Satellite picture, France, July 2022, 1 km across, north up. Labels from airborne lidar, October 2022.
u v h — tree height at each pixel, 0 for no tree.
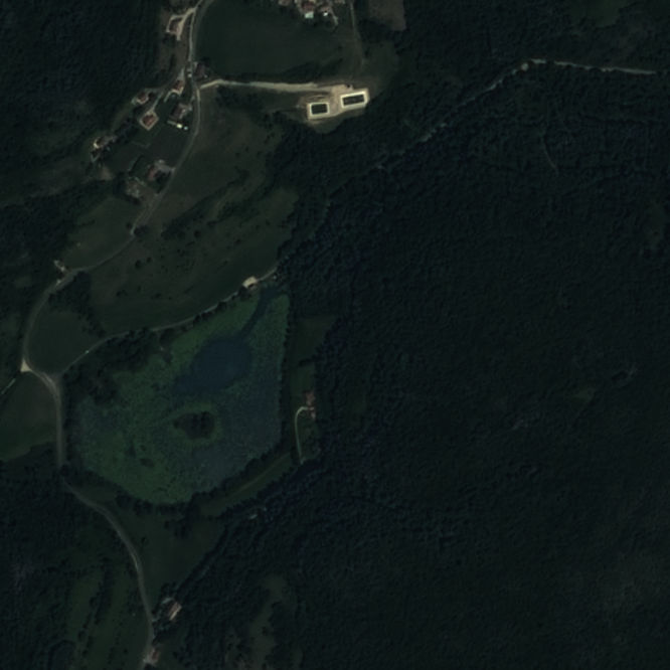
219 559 16
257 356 0
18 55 5
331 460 14
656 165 13
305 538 7
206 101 0
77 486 30
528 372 11
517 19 15
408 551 10
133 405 0
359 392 11
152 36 9
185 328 9
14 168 10
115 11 13
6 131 7
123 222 0
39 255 10
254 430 0
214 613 9
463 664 17
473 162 25
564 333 8
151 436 0
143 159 6
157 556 0
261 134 0
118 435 0
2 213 9
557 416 9
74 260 0
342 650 7
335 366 19
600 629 13
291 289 8
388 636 12
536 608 12
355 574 11
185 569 0
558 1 14
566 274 11
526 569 12
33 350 0
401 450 11
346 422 13
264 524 8
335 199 21
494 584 8
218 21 0
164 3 8
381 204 29
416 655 16
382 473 12
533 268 11
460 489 10
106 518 6
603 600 6
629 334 11
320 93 0
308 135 30
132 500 24
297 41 0
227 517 14
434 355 18
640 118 15
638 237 27
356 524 19
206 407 0
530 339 9
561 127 21
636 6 7
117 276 0
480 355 14
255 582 14
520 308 12
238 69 0
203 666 10
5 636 25
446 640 13
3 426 0
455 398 11
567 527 16
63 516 17
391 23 0
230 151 0
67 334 0
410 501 16
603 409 10
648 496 9
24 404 0
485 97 21
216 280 0
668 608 10
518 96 7
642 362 10
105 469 0
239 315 0
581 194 28
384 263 17
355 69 0
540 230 29
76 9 17
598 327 10
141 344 17
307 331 0
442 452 9
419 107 17
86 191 9
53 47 7
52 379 0
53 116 10
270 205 0
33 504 16
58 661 23
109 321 0
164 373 0
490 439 8
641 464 7
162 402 0
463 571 12
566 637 9
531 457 14
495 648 11
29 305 12
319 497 17
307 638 11
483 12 25
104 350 7
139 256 0
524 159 29
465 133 17
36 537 13
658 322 10
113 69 7
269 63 0
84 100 11
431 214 15
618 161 13
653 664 13
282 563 9
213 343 0
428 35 20
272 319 0
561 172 10
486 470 7
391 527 26
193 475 0
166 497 0
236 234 0
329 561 8
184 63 0
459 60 24
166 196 0
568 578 8
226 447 0
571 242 23
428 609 13
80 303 9
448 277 10
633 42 11
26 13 14
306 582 12
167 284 0
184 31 0
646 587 6
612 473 8
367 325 19
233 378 0
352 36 0
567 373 10
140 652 0
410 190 23
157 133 0
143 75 20
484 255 11
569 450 17
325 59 0
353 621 11
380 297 18
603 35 9
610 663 11
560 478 12
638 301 16
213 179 0
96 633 0
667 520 7
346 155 16
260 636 0
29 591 18
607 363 8
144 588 0
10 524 8
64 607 7
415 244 18
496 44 30
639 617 13
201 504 13
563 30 7
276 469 0
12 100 13
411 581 10
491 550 14
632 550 7
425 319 9
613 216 22
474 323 15
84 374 11
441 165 19
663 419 6
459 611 7
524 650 15
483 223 20
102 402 14
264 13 0
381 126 14
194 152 0
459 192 14
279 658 9
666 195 7
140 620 0
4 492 11
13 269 7
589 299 15
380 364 14
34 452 6
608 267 10
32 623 8
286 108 0
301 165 18
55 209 9
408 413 11
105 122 11
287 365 6
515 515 9
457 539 12
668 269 26
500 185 21
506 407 6
